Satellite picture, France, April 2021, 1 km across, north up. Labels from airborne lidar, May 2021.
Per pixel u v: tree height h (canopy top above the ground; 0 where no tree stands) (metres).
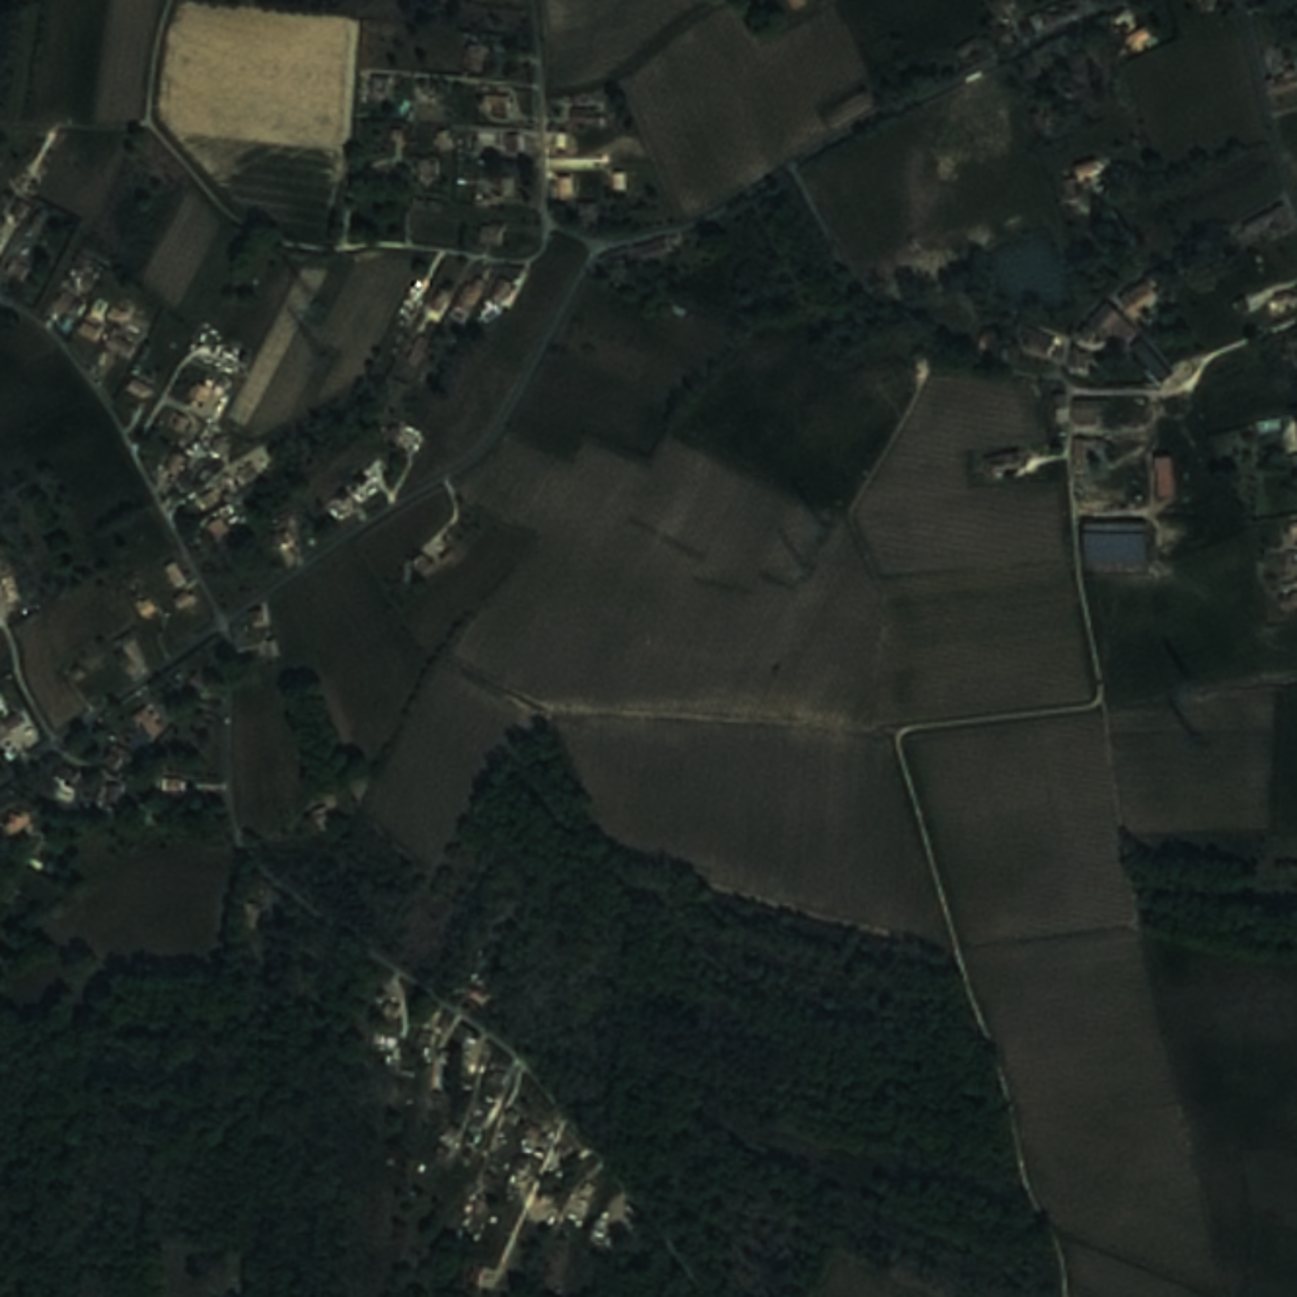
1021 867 0
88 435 0
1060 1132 0
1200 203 0
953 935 0
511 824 23
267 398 0
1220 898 19
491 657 0
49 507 15
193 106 0
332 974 19
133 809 16
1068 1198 0
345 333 0
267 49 0
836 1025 19
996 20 8
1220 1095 0
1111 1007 0
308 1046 20
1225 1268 0
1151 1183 0
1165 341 10
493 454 0
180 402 0
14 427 0
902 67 10
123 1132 19
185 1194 17
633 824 0
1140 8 8
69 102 0
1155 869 21
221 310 0
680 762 0
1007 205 0
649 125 0
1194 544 0
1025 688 0
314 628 0
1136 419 0
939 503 0
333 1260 20
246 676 13
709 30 0
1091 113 9
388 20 0
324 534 13
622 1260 13
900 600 0
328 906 16
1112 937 0
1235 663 0
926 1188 18
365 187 16
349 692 0
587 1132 16
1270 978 0
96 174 0
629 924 21
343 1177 22
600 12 0
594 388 0
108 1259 17
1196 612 0
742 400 0
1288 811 0
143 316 0
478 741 0
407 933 7
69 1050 27
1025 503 0
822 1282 17
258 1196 19
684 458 0
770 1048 25
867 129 9
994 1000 0
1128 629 0
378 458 0
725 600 0
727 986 10
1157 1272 0
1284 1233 0
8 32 19
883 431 0
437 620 0
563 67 0
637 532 0
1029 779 0
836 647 0
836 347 15
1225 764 0
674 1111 24
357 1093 27
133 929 0
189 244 0
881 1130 20
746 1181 19
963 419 0
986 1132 23
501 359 0
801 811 0
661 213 0
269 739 0
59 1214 24
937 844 0
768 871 0
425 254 0
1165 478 0
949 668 0
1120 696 0
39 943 19
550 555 0
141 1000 24
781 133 0
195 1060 18
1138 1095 0
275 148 0
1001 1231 18
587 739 0
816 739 0
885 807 0
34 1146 21
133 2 0
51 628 0
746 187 0
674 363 0
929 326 21
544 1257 10
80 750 9
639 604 0
